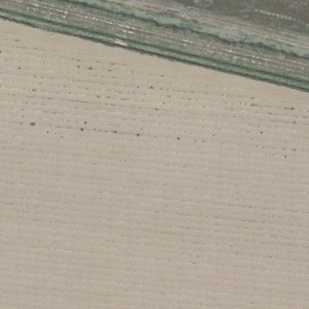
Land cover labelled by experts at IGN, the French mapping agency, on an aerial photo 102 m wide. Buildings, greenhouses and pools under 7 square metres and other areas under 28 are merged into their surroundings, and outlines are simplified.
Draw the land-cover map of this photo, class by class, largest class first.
<instances>
[{"label":"vineyard","instance_id":"1","mask_svg":"<svg viewBox=\"0 0 309 309\"><path fill-rule=\"evenodd\" d=\"M0 309H309V93L200 66L171 62L168 59L147 56L128 49L105 46L103 43L82 40L74 36L49 33L23 24L0 22Z\"/></svg>","mask_w":309,"mask_h":309},{"label":"herbaceous vegetation","instance_id":"2","mask_svg":"<svg viewBox=\"0 0 309 309\"><path fill-rule=\"evenodd\" d=\"M104 6L113 11L153 18L159 23L190 24L194 30L216 34L223 39L262 42L268 46L276 45V48L285 49L287 52H295L299 56L309 54V0H0V22L23 24L49 33L74 36L82 40L103 43L105 46L128 49L147 56L168 59L171 62L200 66L309 93V62L293 57L286 58L280 53L270 54L268 49L261 47L226 45L212 37L191 34L188 31L175 33L173 30L157 28L151 23L86 6Z\"/></svg>","mask_w":309,"mask_h":309},{"label":"water","instance_id":"3","mask_svg":"<svg viewBox=\"0 0 309 309\"><path fill-rule=\"evenodd\" d=\"M151 23L157 28L173 30L175 33L188 31L191 34L212 37L226 45L261 47L268 49L270 54L280 53L286 58L293 57L309 62V54L299 56L295 52H287L285 49L276 48V45L268 46L262 42L223 39L216 34L194 30L190 24L159 23L153 18L113 11L104 6H86Z\"/></svg>","mask_w":309,"mask_h":309}]
</instances>
